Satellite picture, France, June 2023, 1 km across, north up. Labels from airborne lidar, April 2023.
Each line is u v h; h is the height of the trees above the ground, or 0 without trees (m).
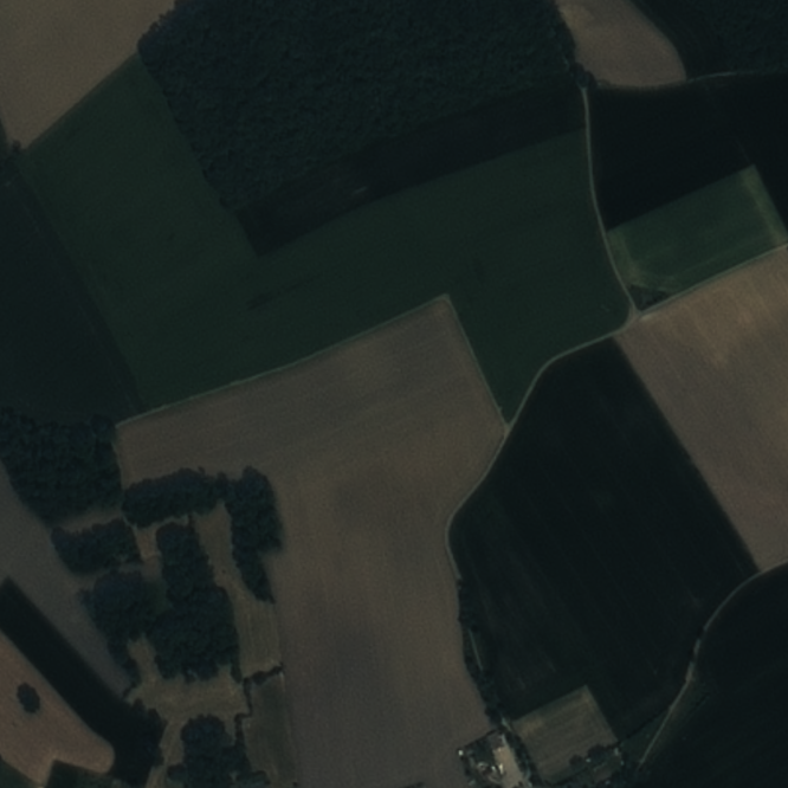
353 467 0
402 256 0
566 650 0
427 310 0
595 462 0
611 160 0
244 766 22
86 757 0
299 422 0
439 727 0
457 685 0
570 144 0
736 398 0
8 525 0
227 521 0
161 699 0
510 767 0
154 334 0
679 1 0
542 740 0
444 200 0
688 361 0
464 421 0
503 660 0
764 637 0
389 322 0
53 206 0
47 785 0
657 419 0
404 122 22
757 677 0
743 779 0
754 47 18
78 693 0
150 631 24
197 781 11
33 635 0
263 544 26
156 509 19
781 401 0
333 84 27
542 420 0
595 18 0
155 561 0
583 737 0
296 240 0
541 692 0
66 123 0
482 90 18
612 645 0
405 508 0
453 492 0
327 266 0
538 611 0
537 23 25
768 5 25
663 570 0
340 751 0
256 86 29
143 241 0
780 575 0
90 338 0
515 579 0
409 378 0
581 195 0
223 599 22
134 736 0
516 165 0
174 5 0
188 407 0
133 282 0
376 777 0
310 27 28
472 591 0
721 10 20
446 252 0
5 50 0
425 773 0
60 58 0
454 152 0
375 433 0
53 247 0
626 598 0
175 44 23
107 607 24
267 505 24
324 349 0
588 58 0
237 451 0
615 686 0
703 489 0
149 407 0
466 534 0
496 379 0
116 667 0
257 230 0
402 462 0
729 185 0
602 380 0
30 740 0
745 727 0
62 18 0
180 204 0
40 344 0
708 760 0
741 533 0
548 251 0
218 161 22
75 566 16
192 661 15
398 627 0
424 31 20
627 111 0
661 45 0
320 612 0
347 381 0
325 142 21
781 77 0
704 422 0
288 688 0
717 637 0
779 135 0
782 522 0
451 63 28
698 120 0
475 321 0
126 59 0
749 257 0
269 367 0
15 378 0
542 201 0
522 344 0
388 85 25
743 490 0
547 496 0
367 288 0
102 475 24
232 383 0
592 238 0
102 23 0
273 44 28
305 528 0
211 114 24
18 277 0
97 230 0
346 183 0
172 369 0
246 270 0
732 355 0
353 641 0
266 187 17
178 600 29
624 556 0
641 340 0
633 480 0
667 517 0
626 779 16
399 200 0
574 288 0
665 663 0
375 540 0
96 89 0
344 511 0
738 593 0
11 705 0
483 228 0
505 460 0
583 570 0
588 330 0
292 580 0
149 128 0
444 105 19
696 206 0
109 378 0
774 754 0
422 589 0
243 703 0
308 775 0
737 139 0
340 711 0
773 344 0
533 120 0
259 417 0
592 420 0
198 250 0
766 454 0
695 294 0
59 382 0
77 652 0
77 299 0
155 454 0
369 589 0
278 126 20
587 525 0
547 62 22
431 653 0
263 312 0
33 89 0
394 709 0
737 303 0
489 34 22
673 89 0
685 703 0
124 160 0
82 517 0
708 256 0
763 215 0
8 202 0
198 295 0
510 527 0
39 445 20
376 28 22
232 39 27
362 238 0
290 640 0
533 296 0
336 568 0
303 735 0
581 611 0
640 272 0
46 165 0
